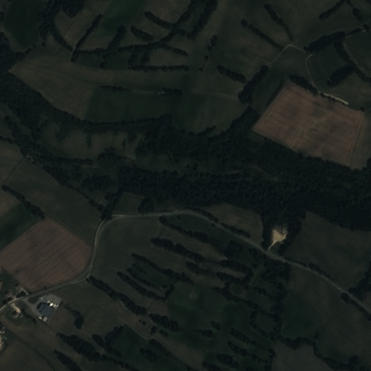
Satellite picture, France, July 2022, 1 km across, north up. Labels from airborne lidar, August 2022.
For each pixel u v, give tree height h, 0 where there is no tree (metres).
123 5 0
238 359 0
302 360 0
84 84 0
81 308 0
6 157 0
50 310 0
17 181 0
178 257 0
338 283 0
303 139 0
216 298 0
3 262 0
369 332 0
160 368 0
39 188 0
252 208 10
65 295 0
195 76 0
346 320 0
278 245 0
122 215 0
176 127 6
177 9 0
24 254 0
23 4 0
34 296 0
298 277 0
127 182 7
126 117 0
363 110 14
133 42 0
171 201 0
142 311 17
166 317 16
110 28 0
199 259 26
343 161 0
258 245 0
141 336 0
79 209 0
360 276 0
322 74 0
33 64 0
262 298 0
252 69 0
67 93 0
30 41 0
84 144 0
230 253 27
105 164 0
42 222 0
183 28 0
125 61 0
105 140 0
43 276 0
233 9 0
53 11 11
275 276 16
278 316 22
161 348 21
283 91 0
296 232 15
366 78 16
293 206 10
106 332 0
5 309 0
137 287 24
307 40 0
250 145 7
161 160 0
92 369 0
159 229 0
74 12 21
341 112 0
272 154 16
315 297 0
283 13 0
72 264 0
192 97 0
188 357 0
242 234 16
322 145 0
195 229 0
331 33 0
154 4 0
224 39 0
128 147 0
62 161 21
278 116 0
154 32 0
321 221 0
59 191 0
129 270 12
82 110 0
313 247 0
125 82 0
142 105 0
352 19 0
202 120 0
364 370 8
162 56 0
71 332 0
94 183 6
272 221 20
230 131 17
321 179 6
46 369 0
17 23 0
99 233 0
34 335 0
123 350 0
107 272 0
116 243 0
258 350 0
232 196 15
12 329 0
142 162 0
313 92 18
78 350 19
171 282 0
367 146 0
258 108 0
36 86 0
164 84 0
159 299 7
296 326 0
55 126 0
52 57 0
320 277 0
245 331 0
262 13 0
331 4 0
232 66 0
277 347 0
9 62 27
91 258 0
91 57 0
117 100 0
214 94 0
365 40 0
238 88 0
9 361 0
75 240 0
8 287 0
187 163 0
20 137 24
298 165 13
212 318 0
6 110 0
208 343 0
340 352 0
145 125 7
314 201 7
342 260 0
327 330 0
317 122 0
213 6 17
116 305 0
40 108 7
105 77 0
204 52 0
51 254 0
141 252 0
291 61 0
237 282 16
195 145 14
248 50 0
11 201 0
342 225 19
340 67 0
